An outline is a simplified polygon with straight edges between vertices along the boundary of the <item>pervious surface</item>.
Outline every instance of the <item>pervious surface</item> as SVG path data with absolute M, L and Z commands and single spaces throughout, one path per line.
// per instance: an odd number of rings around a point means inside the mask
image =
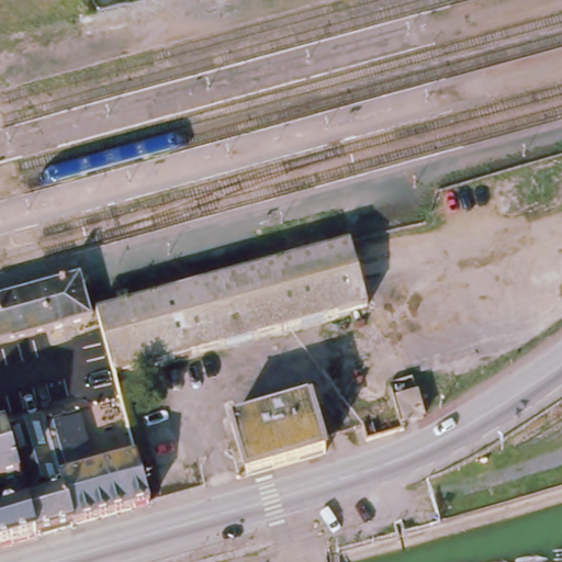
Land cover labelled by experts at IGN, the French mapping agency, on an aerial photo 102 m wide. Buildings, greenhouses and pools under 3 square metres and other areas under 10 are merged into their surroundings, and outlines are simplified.
M 173 119 L 130 130 L 123 134 L 105 136 L 99 141 L 81 143 L 61 149 L 55 158 L 31 156 L 18 160 L 18 173 L 22 176 L 26 187 L 42 189 L 48 187 L 55 178 L 64 178 L 105 162 L 132 158 L 136 154 L 160 151 L 165 147 L 193 147 L 224 141 L 231 136 L 244 136 L 270 125 L 279 125 L 325 110 L 336 110 L 347 103 L 367 101 L 389 92 L 415 88 L 428 81 L 470 75 L 483 68 L 562 48 L 562 11 L 525 18 L 518 22 L 481 31 L 476 35 L 463 35 L 461 31 L 454 31 L 452 37 L 443 44 L 411 55 L 397 55 L 360 68 L 349 68 L 321 79 L 303 81 L 296 86 L 231 101 L 217 108 L 200 110 L 193 112 L 189 119 Z
M 290 13 L 274 20 L 255 22 L 239 29 L 189 40 L 169 48 L 154 48 L 125 59 L 114 57 L 114 68 L 108 68 L 105 64 L 86 70 L 68 68 L 48 77 L 31 81 L 7 81 L 0 86 L 0 116 L 2 127 L 15 127 L 26 119 L 55 114 L 59 110 L 70 110 L 75 105 L 83 105 L 103 97 L 202 72 L 231 61 L 277 53 L 314 40 L 325 40 L 338 33 L 356 31 L 362 26 L 397 20 L 411 13 L 430 11 L 432 18 L 441 20 L 454 11 L 459 0 L 331 0 L 334 9 L 329 13 L 312 13 L 303 20 L 294 20 L 294 15 Z
M 375 134 L 369 138 L 331 143 L 321 151 L 310 151 L 288 160 L 270 162 L 266 167 L 246 169 L 239 173 L 222 176 L 182 189 L 169 189 L 127 204 L 110 206 L 92 215 L 72 215 L 68 222 L 46 226 L 44 233 L 40 233 L 35 239 L 37 248 L 44 255 L 66 246 L 79 246 L 88 237 L 99 239 L 101 244 L 130 239 L 182 222 L 191 222 L 204 215 L 233 211 L 239 206 L 312 189 L 323 182 L 340 180 L 400 160 L 417 158 L 457 145 L 472 145 L 507 136 L 562 119 L 562 81 L 498 97 L 487 103 L 459 110 L 454 114 L 437 116 L 417 125 L 397 127 L 393 132 Z
M 531 437 L 562 437 L 562 393 L 536 413 L 531 413 L 520 428 L 505 435 L 505 446 L 516 446 Z

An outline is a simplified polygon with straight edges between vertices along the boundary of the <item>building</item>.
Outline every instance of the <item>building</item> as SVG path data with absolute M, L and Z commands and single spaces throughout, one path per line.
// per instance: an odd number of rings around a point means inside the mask
M 316 389 L 314 384 L 296 384 L 252 400 L 248 400 L 248 395 L 241 395 L 233 404 L 237 435 L 241 439 L 241 454 L 250 461 L 246 470 L 250 474 L 259 470 L 292 465 L 325 452 L 327 428 L 316 397 Z
M 389 400 L 397 422 L 419 422 L 426 408 L 419 389 L 404 386 L 406 380 L 413 380 L 413 373 L 408 369 L 402 369 L 391 375 L 391 382 L 384 389 L 382 397 Z
M 88 279 L 81 268 L 68 268 L 0 288 L 0 345 L 18 342 L 40 334 L 44 334 L 50 345 L 64 345 L 75 336 L 99 331 L 110 373 L 119 371 L 132 371 L 138 358 L 145 364 L 158 367 L 165 367 L 173 358 L 200 358 L 211 351 L 217 353 L 222 349 L 239 347 L 252 340 L 283 336 L 305 327 L 321 327 L 342 316 L 360 316 L 367 301 L 367 285 L 353 248 L 353 239 L 349 235 L 292 248 L 255 261 L 228 266 L 222 270 L 178 279 L 173 283 L 103 301 L 99 305 L 90 303 Z
M 136 446 L 123 446 L 110 452 L 101 452 L 97 448 L 97 439 L 86 439 L 79 411 L 75 411 L 70 417 L 59 417 L 57 413 L 53 413 L 48 430 L 42 428 L 40 422 L 33 422 L 33 432 L 24 439 L 20 437 L 18 441 L 13 439 L 7 415 L 0 413 L 0 544 L 18 544 L 35 538 L 70 533 L 72 529 L 88 522 L 143 509 L 149 505 L 154 496 L 149 494 L 149 479 L 141 463 Z

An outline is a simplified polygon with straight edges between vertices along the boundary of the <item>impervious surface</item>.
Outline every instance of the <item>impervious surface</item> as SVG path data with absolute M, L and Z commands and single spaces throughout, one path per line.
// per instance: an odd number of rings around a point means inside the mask
M 562 448 L 527 461 L 516 461 L 496 472 L 463 479 L 450 490 L 476 494 L 562 463 Z
M 88 4 L 90 15 L 81 15 L 77 24 L 55 22 L 29 29 L 20 37 L 20 46 L 13 53 L 0 53 L 0 86 L 7 81 L 31 81 L 48 77 L 68 68 L 86 70 L 105 64 L 108 68 L 114 68 L 114 57 L 125 59 L 154 48 L 169 48 L 189 40 L 239 29 L 255 22 L 274 20 L 290 13 L 294 15 L 294 20 L 303 20 L 312 13 L 329 13 L 334 9 L 331 0 L 83 0 Z
M 231 101 L 296 86 L 303 81 L 321 79 L 349 68 L 360 68 L 397 55 L 411 55 L 443 44 L 452 37 L 454 31 L 461 31 L 463 35 L 476 35 L 481 31 L 518 22 L 525 18 L 562 11 L 562 0 L 459 0 L 454 11 L 441 20 L 432 18 L 430 11 L 411 13 L 397 20 L 362 26 L 356 31 L 338 33 L 325 40 L 314 40 L 277 53 L 231 61 L 202 72 L 103 97 L 83 105 L 75 105 L 70 110 L 59 110 L 55 114 L 26 119 L 15 127 L 2 127 L 0 116 L 0 288 L 68 268 L 81 268 L 88 279 L 90 303 L 99 305 L 103 301 L 173 283 L 178 279 L 222 270 L 228 266 L 255 261 L 292 248 L 349 235 L 353 239 L 353 248 L 367 285 L 367 301 L 360 316 L 342 316 L 321 327 L 305 327 L 283 336 L 252 340 L 239 347 L 222 349 L 217 353 L 211 351 L 200 358 L 173 358 L 165 367 L 158 367 L 165 375 L 165 382 L 171 386 L 167 400 L 156 408 L 136 415 L 134 419 L 130 419 L 125 406 L 119 371 L 110 373 L 99 331 L 75 336 L 64 345 L 50 345 L 44 334 L 40 334 L 18 342 L 0 345 L 0 413 L 7 415 L 13 439 L 18 441 L 20 437 L 24 439 L 33 432 L 33 422 L 40 422 L 42 428 L 48 430 L 53 413 L 57 413 L 59 417 L 70 417 L 75 411 L 79 411 L 86 439 L 97 439 L 97 448 L 101 452 L 110 452 L 123 446 L 136 446 L 141 463 L 149 479 L 149 494 L 154 496 L 149 505 L 143 509 L 88 522 L 72 529 L 70 533 L 35 538 L 18 544 L 0 544 L 0 562 L 356 562 L 562 503 L 562 485 L 501 505 L 492 505 L 485 509 L 476 509 L 463 516 L 441 518 L 435 496 L 435 483 L 443 479 L 452 468 L 459 468 L 463 463 L 487 463 L 487 459 L 496 450 L 503 450 L 505 446 L 505 435 L 520 428 L 531 413 L 536 413 L 562 393 L 562 331 L 542 342 L 540 347 L 536 347 L 531 353 L 512 362 L 490 380 L 472 386 L 457 400 L 443 406 L 435 402 L 432 408 L 426 408 L 419 422 L 397 422 L 397 428 L 369 435 L 364 428 L 364 417 L 351 408 L 358 395 L 367 402 L 382 397 L 384 389 L 391 382 L 391 375 L 402 369 L 408 369 L 417 367 L 422 371 L 432 373 L 468 373 L 479 364 L 490 364 L 494 358 L 520 347 L 529 338 L 544 331 L 549 325 L 553 325 L 558 318 L 562 318 L 562 213 L 551 215 L 549 209 L 536 209 L 531 204 L 525 204 L 516 195 L 516 184 L 520 180 L 536 182 L 538 171 L 551 169 L 558 162 L 558 156 L 496 171 L 483 178 L 459 180 L 459 184 L 452 184 L 448 189 L 441 187 L 439 180 L 452 171 L 470 169 L 507 156 L 522 156 L 538 147 L 549 147 L 562 141 L 562 119 L 507 136 L 472 145 L 457 145 L 417 158 L 400 160 L 340 180 L 323 182 L 312 189 L 239 206 L 233 211 L 204 215 L 191 222 L 182 222 L 130 239 L 101 244 L 99 239 L 88 237 L 79 246 L 66 246 L 44 255 L 37 248 L 35 239 L 40 233 L 44 233 L 46 226 L 68 222 L 72 215 L 92 215 L 110 206 L 127 204 L 169 189 L 182 189 L 222 176 L 239 173 L 246 169 L 266 167 L 270 162 L 288 160 L 310 151 L 321 151 L 331 143 L 369 138 L 375 134 L 393 132 L 397 127 L 417 125 L 437 116 L 454 114 L 459 110 L 487 103 L 498 97 L 562 81 L 562 48 L 483 68 L 470 75 L 428 81 L 415 88 L 389 92 L 367 101 L 347 103 L 336 110 L 325 110 L 279 125 L 270 125 L 244 136 L 231 136 L 224 141 L 193 147 L 165 147 L 160 151 L 136 154 L 132 158 L 105 162 L 64 178 L 55 178 L 48 187 L 42 189 L 26 187 L 22 176 L 18 173 L 18 160 L 31 156 L 55 158 L 61 149 L 81 143 L 99 141 L 105 136 L 123 134 L 130 130 L 173 119 L 189 119 L 193 112 L 200 110 L 217 108 Z M 241 395 L 248 395 L 248 400 L 252 400 L 296 384 L 314 384 L 316 389 L 316 397 L 327 428 L 325 452 L 292 465 L 259 470 L 250 474 L 246 470 L 250 461 L 241 454 L 241 439 L 237 435 L 233 404 Z

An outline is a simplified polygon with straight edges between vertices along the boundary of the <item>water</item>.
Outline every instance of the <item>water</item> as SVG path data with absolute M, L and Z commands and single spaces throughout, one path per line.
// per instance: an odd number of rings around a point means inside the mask
M 562 503 L 356 562 L 562 562 Z

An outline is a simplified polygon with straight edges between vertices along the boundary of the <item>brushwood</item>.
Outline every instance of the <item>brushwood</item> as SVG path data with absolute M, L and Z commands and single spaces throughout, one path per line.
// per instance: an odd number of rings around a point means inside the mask
M 165 375 L 158 367 L 145 364 L 138 358 L 132 371 L 119 371 L 125 406 L 130 419 L 134 419 L 136 415 L 156 408 L 167 400 L 171 386 L 165 382 Z
M 522 156 L 507 156 L 470 169 L 452 171 L 439 180 L 441 187 L 448 189 L 452 184 L 459 184 L 459 180 L 483 178 L 496 171 L 558 156 L 558 162 L 551 169 L 538 171 L 536 182 L 520 180 L 516 184 L 516 195 L 525 204 L 531 204 L 536 209 L 549 209 L 551 215 L 562 213 L 562 141 L 549 147 L 538 147 Z

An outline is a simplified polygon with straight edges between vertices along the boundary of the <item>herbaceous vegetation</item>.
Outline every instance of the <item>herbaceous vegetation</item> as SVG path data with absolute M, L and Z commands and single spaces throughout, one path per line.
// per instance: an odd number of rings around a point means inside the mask
M 20 37 L 29 29 L 55 22 L 77 24 L 81 15 L 90 15 L 88 4 L 83 0 L 0 0 L 0 53 L 13 53 L 20 46 Z
M 501 505 L 562 485 L 562 463 L 476 494 L 450 490 L 463 479 L 496 472 L 516 461 L 527 461 L 562 448 L 562 437 L 531 437 L 516 446 L 505 446 L 503 450 L 496 450 L 487 459 L 487 463 L 463 463 L 459 468 L 452 468 L 443 479 L 435 483 L 435 496 L 441 518 L 463 516 L 476 509 L 485 509 L 492 505 Z
M 562 318 L 558 318 L 553 325 L 549 325 L 544 331 L 529 338 L 520 347 L 494 358 L 490 364 L 479 364 L 468 373 L 432 373 L 422 371 L 417 367 L 408 369 L 413 373 L 413 380 L 406 380 L 404 386 L 419 389 L 426 408 L 432 408 L 435 402 L 443 406 L 457 400 L 472 386 L 490 380 L 512 362 L 531 353 L 536 347 L 540 347 L 542 342 L 562 331 Z
M 389 400 L 382 397 L 367 402 L 358 395 L 351 408 L 364 417 L 364 428 L 369 435 L 397 428 L 397 422 Z

